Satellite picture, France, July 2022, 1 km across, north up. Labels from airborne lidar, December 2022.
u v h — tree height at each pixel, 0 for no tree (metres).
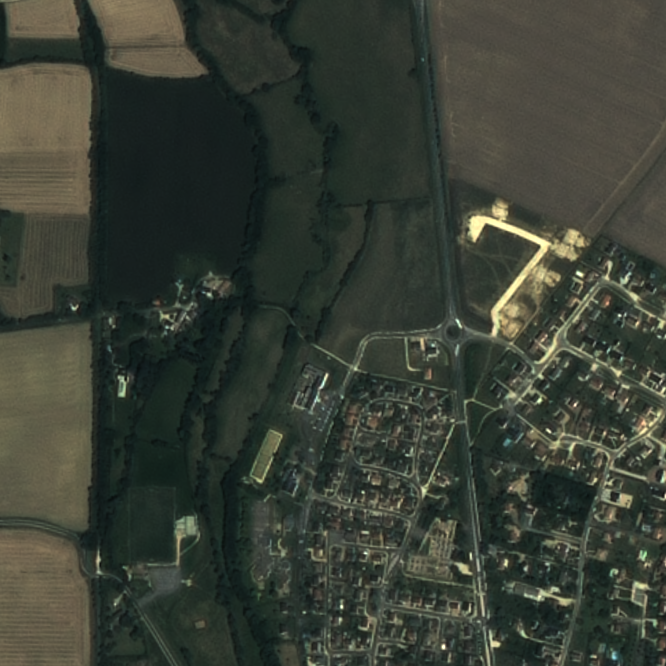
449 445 0
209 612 0
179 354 8
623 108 0
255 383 0
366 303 0
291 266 0
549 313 0
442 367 0
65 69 0
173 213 0
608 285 0
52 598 0
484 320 0
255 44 0
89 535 14
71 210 0
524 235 0
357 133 0
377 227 0
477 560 0
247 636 0
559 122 0
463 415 0
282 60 0
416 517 0
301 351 0
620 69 0
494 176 0
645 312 0
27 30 0
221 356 0
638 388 0
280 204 0
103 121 6
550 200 0
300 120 0
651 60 0
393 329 0
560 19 0
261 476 0
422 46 0
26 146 0
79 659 0
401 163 0
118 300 0
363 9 0
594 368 0
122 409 0
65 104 0
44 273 0
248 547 14
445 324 0
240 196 0
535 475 18
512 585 0
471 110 0
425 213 0
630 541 0
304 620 0
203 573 0
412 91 0
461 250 0
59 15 0
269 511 0
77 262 0
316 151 0
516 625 0
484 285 0
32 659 0
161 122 0
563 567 7
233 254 0
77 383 0
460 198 0
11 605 0
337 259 0
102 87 8
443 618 0
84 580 0
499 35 0
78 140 0
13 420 0
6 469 0
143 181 0
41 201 0
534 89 0
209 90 0
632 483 0
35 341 0
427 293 0
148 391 29
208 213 0
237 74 0
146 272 0
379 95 0
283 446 0
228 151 0
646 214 0
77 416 0
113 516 14
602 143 0
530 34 0
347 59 0
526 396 0
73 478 0
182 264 0
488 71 0
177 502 0
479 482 15
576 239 0
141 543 0
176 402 0
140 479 0
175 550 0
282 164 0
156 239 0
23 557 0
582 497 11
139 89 0
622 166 0
